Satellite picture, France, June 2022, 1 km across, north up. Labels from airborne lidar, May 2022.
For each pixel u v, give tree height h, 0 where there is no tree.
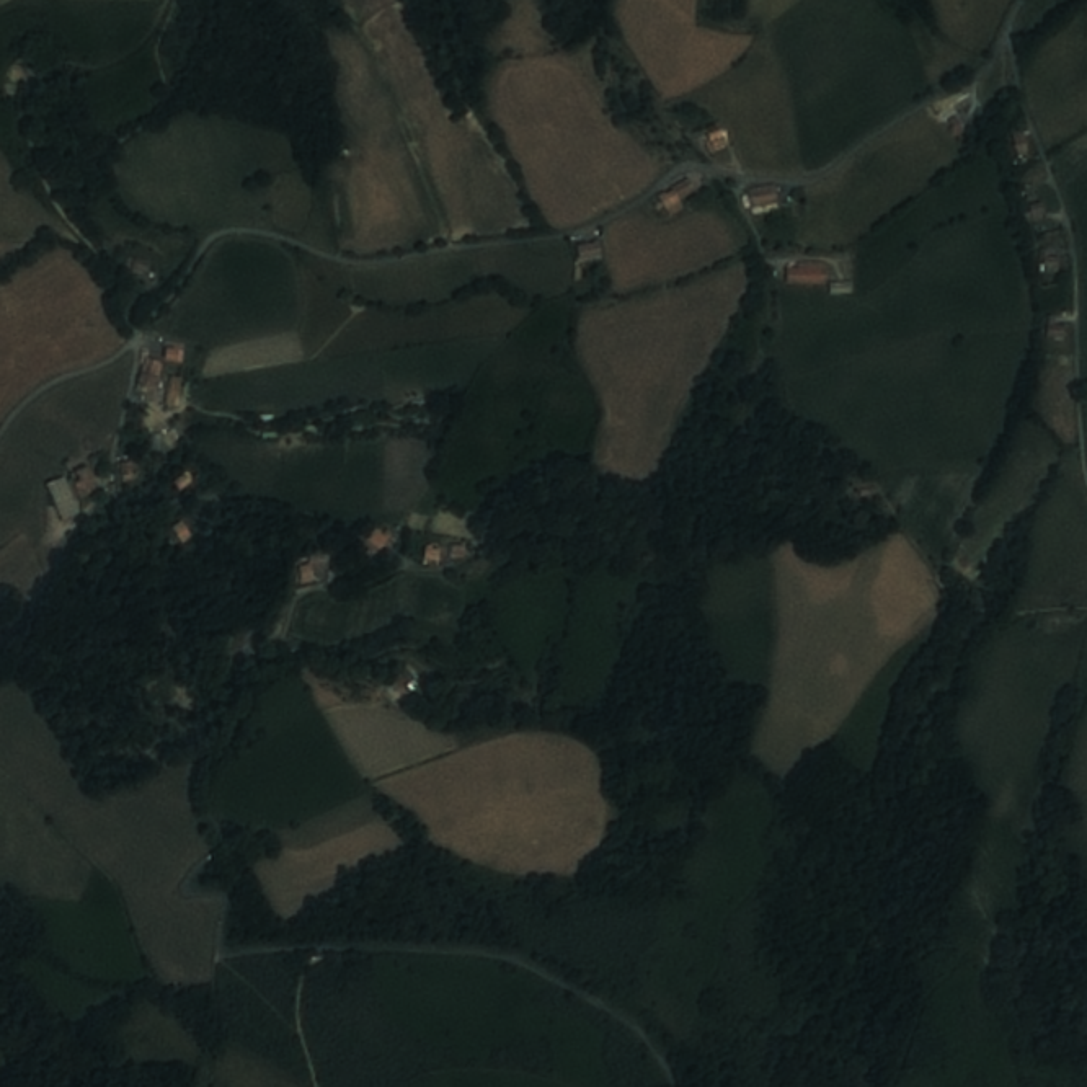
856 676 0
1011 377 0
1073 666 0
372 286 0
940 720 19
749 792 0
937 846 23
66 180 20
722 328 0
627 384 0
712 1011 7
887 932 21
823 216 0
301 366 0
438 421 7
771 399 14
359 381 0
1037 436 0
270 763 0
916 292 0
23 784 0
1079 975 22
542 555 25
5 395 0
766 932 11
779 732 0
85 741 22
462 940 8
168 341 0
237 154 0
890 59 0
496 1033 0
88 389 0
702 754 23
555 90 0
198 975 0
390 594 0
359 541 17
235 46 20
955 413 0
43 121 22
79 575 19
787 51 0
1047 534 0
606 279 8
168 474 7
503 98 0
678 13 0
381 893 13
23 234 0
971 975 0
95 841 0
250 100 17
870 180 0
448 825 0
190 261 8
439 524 0
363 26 0
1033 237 9
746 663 0
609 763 13
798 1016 7
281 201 0
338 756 0
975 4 0
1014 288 0
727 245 0
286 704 0
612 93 10
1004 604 18
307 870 0
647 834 8
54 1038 28
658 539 27
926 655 14
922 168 0
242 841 25
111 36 0
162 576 14
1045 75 0
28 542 0
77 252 9
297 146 15
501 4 15
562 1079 0
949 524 0
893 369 0
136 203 0
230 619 18
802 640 0
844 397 0
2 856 0
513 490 10
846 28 0
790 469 25
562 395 0
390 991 0
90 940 0
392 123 0
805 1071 19
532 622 0
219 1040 9
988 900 0
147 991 10
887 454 0
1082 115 0
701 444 16
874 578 0
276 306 0
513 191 0
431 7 20
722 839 0
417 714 16
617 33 18
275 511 21
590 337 0
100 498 16
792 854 7
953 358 0
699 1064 11
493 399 0
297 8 20
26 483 0
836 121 0
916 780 15
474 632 16
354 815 0
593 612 0
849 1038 19
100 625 29
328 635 0
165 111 12
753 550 14
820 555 24
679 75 0
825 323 0
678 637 24
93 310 0
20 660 21
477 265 0
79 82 17
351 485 0
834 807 17
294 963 9
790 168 0
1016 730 0
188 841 0
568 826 0
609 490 29
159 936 0
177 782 0
